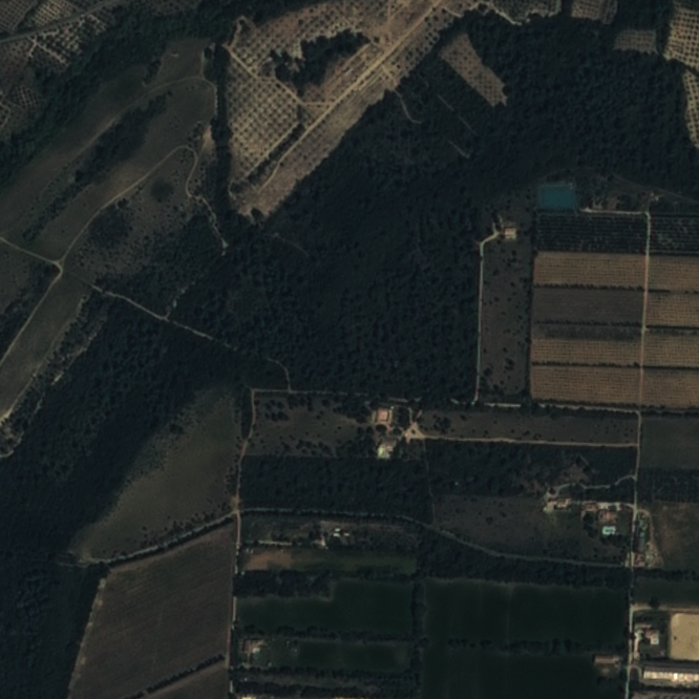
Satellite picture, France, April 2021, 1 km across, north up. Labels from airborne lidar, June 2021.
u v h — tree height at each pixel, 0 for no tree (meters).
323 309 9
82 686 0
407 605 0
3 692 6
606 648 15
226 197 6
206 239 8
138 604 0
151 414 6
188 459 0
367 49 0
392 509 7
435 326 10
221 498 0
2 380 0
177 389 6
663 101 12
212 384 0
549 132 7
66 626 0
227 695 0
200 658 0
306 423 0
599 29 7
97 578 6
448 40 15
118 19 7
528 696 0
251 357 12
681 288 0
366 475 9
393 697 6
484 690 0
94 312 7
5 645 6
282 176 0
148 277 7
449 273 11
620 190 0
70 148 0
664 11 20
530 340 8
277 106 0
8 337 7
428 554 12
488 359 0
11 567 7
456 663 0
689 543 0
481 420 0
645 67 7
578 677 0
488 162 6
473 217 12
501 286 0
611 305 0
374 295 11
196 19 14
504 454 11
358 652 0
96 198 0
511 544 0
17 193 0
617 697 0
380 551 6
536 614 0
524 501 0
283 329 6
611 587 10
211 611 0
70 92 13
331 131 0
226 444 0
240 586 9
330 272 6
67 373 5
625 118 14
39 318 0
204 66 0
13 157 13
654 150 6
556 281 0
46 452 6
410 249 9
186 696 0
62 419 6
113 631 0
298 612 0
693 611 0
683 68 14
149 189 0
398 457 7
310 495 11
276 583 7
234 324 18
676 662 7
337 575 11
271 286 13
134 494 0
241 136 0
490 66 9
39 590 14
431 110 7
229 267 6
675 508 0
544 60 7
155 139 0
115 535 0
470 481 12
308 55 14
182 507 0
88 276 0
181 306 6
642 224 5
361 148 13
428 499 12
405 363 15
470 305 13
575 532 0
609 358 0
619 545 10
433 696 0
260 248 20
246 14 12
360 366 10
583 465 10
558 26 6
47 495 5
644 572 7
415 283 11
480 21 7
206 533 8
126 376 14
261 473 6
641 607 0
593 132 13
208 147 0
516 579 7
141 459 0
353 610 0
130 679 0
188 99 0
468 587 0
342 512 8
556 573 13
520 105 6
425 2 0
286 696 9
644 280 0
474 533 0
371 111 10
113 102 0
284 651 0
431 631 0
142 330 12
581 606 0
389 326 9
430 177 11
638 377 0
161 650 0
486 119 6
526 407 9
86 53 11
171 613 0
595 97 15
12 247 0
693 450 0
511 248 0
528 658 0
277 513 7
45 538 10
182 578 0
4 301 0
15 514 5
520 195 6
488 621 0
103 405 14
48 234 0
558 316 0
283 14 11
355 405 10
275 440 0
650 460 0
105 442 6
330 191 10
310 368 9
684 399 0
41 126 12
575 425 0
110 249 6
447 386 14
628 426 0
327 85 0
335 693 7
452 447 6
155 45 6
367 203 10
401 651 0
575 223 5
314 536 8
